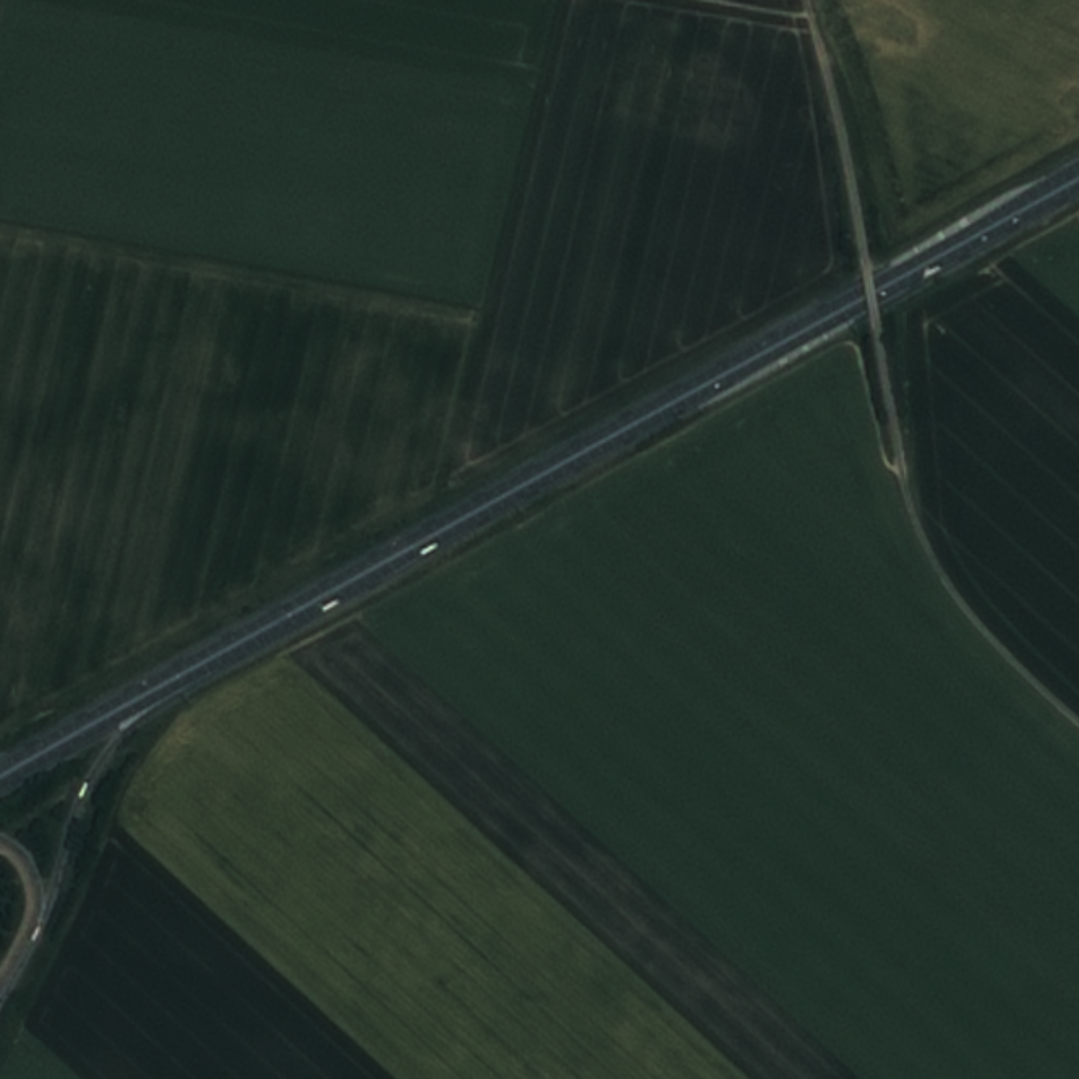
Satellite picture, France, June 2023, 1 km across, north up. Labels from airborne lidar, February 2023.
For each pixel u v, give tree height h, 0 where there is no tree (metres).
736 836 0
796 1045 0
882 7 0
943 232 0
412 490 0
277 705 0
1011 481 0
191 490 0
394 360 0
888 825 0
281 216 0
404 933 0
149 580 0
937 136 0
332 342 0
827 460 0
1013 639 0
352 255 0
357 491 0
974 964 0
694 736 0
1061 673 0
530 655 0
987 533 0
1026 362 0
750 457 0
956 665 0
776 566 0
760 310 0
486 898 0
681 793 0
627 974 0
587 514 0
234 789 0
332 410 0
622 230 0
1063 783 0
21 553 0
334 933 0
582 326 0
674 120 0
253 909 0
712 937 0
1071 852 0
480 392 0
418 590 0
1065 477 0
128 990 0
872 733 0
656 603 0
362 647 0
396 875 0
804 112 0
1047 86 0
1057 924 0
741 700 0
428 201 0
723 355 0
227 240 0
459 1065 0
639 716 0
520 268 0
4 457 0
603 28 0
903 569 0
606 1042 0
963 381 0
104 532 0
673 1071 0
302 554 0
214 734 0
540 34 0
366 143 0
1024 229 0
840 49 0
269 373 0
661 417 0
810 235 0
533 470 0
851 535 0
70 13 0
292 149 0
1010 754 0
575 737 0
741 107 0
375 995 0
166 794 0
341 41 0
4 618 0
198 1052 0
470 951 0
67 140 0
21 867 0
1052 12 0
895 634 0
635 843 0
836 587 0
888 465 0
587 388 0
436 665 0
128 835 0
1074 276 0
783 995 0
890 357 7
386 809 0
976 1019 0
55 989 0
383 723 0
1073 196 0
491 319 0
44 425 0
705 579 0
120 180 0
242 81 0
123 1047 0
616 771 0
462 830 0
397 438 0
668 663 0
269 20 0
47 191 0
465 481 0
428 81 0
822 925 0
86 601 0
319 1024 0
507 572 0
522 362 0
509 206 0
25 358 0
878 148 0
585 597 0
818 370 0
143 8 0
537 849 0
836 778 0
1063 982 0
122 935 0
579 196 0
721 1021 0
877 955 0
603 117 0
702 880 0
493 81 0
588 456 0
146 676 0
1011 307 0
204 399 0
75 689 0
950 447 0
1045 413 0
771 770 0
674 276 0
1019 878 0
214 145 0
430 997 0
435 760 0
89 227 0
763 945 0
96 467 0
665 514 0
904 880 0
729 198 0
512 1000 0
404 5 0
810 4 0
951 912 0
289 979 0
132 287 0
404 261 0
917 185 0
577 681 0
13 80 0
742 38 0
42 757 0
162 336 0
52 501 0
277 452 0
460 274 0
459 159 0
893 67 0
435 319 0
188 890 0
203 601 0
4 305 0
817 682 0
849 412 0
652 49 0
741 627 0
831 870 0
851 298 0
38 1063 0
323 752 0
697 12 0
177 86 0
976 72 0
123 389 0
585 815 0
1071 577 0
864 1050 0
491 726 0
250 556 0
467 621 0
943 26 0
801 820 0
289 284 0
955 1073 0
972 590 0
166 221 0
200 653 0
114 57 0
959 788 0
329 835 0
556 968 0
